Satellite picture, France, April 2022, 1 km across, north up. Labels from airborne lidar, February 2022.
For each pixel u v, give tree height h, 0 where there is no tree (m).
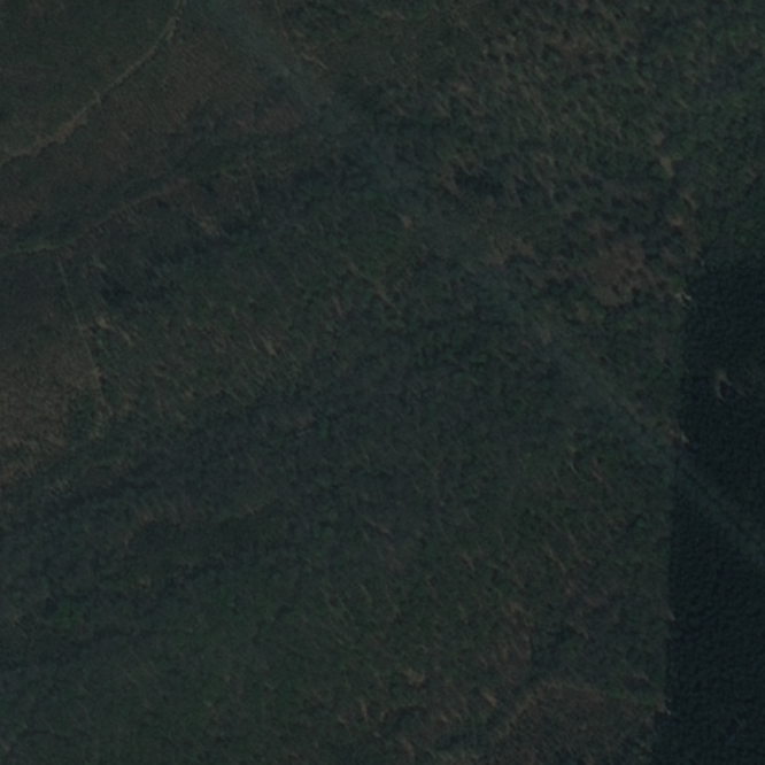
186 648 19
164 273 26
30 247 11
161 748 27
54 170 12
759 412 30
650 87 30
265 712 28
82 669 28
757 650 30
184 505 31
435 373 27
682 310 25
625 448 28
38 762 27
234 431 27
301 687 27
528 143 6
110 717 28
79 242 7
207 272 29
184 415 22
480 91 24
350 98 24
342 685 32
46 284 10
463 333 28
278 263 24
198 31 11
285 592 17
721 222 21
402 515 30
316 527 28
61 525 27
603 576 27
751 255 25
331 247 26
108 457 11
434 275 26
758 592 28
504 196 24
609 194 30
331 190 30
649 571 23
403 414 29
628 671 29
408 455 29
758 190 21
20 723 24
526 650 27
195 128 12
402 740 30
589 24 27
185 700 28
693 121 22
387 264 26
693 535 31
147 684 26
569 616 22
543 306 30
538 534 26
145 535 8
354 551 30
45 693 26
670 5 18
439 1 25
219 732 25
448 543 30
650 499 26
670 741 32
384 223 26
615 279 0
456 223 10
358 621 25
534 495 29
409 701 24
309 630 25
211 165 14
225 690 27
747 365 33
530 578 30
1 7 23
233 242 31
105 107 12
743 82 26
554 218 25
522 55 0
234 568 27
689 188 26
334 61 10
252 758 27
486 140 16
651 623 26
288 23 12
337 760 21
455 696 29
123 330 7
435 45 7
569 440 27
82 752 24
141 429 13
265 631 28
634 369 25
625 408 25
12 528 0
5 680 27
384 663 25
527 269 28
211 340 25
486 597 29
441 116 29
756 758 28
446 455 28
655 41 25
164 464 29
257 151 15
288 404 21
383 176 25
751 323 37
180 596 25
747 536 34
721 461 38
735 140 25
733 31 28
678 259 28
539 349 20
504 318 29
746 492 27
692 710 29
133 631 18
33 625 0
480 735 18
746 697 27
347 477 30
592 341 25
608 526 31
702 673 28
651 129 27
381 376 30
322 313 27
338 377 24
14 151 0
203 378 19
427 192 17
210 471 29
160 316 25
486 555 25
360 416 28
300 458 28
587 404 29
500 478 26
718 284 32
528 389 25
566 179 26
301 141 15
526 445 28
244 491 27
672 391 28
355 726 28
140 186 5
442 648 25
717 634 30
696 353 29
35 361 8
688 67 18
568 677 23
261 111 16
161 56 12
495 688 24
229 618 30
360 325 22
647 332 28
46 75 13
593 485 32
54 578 28
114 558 10
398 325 33
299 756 30
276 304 25
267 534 11
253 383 25
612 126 28
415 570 27
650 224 27
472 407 28
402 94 28
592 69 29
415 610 24
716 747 25
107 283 14
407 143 27
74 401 0
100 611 26
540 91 28
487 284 25
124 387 29
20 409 9
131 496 28
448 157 28
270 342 29
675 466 28
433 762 22
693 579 33
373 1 27
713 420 35
